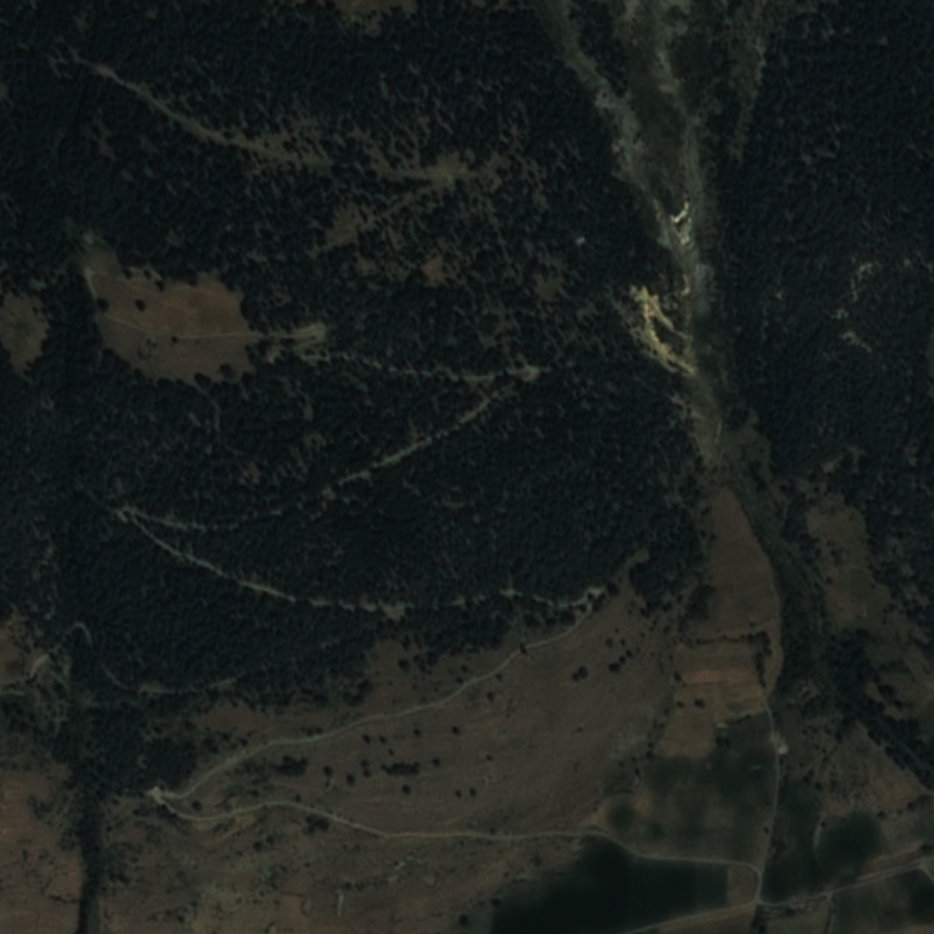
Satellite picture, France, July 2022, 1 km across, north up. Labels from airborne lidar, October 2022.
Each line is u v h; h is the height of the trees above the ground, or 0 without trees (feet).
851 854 0
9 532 30
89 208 57
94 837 26
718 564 0
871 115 72
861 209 60
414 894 0
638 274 31
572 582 52
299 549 18
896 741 30
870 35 69
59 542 44
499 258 60
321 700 39
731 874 0
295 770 46
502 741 0
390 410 22
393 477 32
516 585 41
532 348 36
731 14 30
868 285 27
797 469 27
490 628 66
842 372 62
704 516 22
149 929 0
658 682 0
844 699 33
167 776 33
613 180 35
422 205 24
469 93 88
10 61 68
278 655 42
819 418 20
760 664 20
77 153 35
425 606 29
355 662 46
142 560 55
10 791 0
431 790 0
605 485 62
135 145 67
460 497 37
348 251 39
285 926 0
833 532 0
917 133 52
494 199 43
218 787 0
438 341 59
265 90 65
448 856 0
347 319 22
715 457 0
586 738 0
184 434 56
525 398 42
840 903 0
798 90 50
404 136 37
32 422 55
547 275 91
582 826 0
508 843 0
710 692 0
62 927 0
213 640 33
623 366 72
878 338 47
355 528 34
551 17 0
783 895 0
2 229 65
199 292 0
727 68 30
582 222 50
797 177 36
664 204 20
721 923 0
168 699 30
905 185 45
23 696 0
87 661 25
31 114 58
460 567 51
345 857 0
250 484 50
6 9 52
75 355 53
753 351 36
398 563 33
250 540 39
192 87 31
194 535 24
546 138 69
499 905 30
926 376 31
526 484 65
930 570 35
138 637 58
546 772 0
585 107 35
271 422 29
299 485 31
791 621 22
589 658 0
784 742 0
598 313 26
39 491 61
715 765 0
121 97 64
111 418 56
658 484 46
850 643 27
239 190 76
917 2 54
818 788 24
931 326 66
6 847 0
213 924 0
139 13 41
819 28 52
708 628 0
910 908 0
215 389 35
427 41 57
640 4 0
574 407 54
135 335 0
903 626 0
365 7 0
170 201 57
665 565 39
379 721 0
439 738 0
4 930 0
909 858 0
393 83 73
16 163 78
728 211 27
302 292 26
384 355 51
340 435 56
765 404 48
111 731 30
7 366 67
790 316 31
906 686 0
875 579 25
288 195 33
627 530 50
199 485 46
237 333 0
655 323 24
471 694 0
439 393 23
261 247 73
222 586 66
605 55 40
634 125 0
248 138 61
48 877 0
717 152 20
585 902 0
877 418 35
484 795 0
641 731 0
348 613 33
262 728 0
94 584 57
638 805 0
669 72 0
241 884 0
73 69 42
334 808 0
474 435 35
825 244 47
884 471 27
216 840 0
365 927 0
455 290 34
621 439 43
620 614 0
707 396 0
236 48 59
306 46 76
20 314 0
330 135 30
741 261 38
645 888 0
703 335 0
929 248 33
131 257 70
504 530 46
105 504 48
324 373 68
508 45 56
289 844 0
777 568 22
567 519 41
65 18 43
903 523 34
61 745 24
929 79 50
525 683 0
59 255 32
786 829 0
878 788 0
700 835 0
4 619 33
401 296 68
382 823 0
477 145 51
